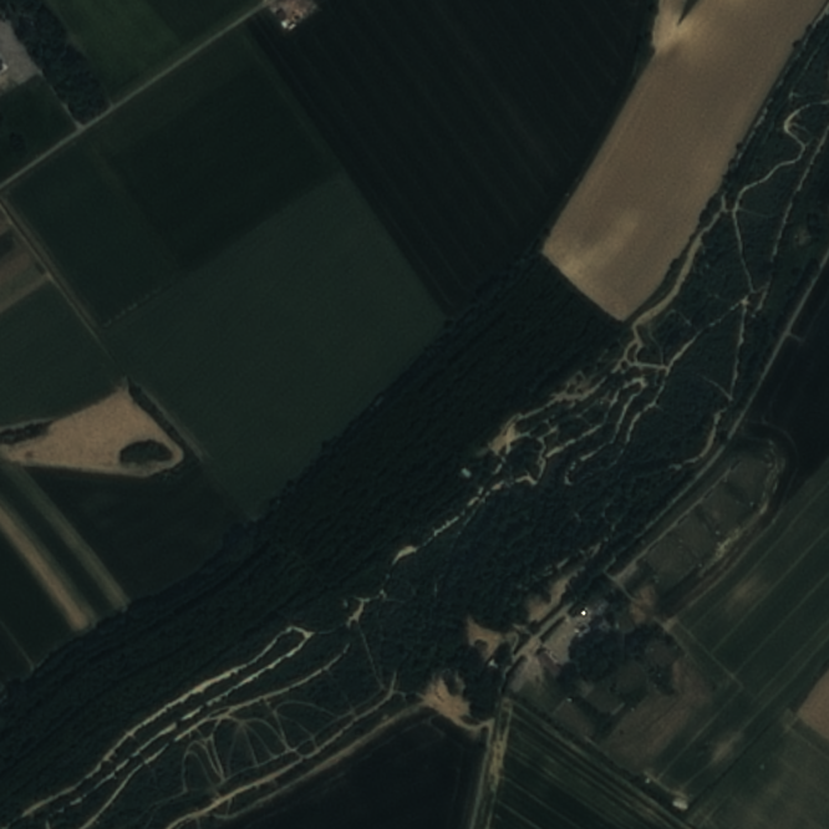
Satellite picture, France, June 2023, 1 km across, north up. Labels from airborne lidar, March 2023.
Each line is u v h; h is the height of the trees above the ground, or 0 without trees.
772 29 0
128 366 0
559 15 0
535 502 9
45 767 9
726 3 0
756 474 0
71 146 0
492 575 18
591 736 0
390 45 0
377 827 0
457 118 0
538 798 0
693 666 0
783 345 0
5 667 0
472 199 0
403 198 0
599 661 29
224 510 0
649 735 0
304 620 6
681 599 0
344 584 12
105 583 0
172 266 0
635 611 0
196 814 0
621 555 10
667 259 0
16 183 0
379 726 0
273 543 6
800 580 0
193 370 0
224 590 14
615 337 7
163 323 0
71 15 0
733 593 0
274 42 0
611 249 0
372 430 11
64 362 0
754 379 11
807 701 0
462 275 0
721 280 5
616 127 0
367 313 0
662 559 0
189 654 11
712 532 0
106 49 0
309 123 0
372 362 0
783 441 0
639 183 0
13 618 0
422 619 7
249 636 10
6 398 0
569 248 0
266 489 0
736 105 0
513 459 15
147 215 0
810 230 7
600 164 0
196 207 0
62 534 0
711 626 0
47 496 0
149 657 13
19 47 0
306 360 0
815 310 0
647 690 0
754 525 0
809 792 0
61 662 17
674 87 0
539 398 7
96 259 0
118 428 0
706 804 0
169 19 0
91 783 8
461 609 15
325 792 0
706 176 0
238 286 0
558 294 9
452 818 0
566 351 9
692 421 6
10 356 0
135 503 0
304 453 0
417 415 9
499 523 21
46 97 0
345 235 0
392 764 0
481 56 0
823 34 8
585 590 11
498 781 0
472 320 16
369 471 10
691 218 0
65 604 0
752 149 8
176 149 0
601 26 0
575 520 9
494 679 20
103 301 0
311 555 9
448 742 0
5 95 0
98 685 15
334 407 0
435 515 8
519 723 0
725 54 0
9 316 0
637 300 0
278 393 0
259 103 0
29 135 0
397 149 0
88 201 0
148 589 0
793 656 0
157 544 0
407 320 0
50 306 0
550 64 0
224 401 0
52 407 0
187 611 15
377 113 0
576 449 10
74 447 0
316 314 0
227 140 0
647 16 0
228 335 0
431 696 0
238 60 0
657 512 8
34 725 15
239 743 0
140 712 8
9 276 0
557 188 0
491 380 10
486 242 0
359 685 7
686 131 0
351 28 0
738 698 0
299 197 0
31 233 0
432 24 0
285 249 0
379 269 0
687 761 0
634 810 0
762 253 6
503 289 15
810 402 0
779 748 0
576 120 0
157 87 0
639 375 0
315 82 0
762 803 0
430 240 0
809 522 0
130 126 0
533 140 0
